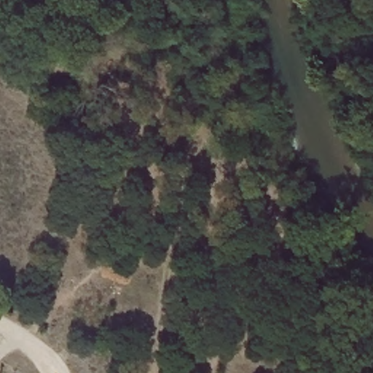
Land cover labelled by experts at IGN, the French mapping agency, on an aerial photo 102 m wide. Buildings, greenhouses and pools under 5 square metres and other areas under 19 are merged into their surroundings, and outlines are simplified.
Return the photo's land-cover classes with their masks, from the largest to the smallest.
<instances>
[{"label":"deciduous trees","instance_id":"1","mask_svg":"<svg viewBox=\"0 0 373 373\"><path fill-rule=\"evenodd\" d=\"M268 13L254 0H0V82L3 85L7 83L12 89L22 90L28 95V117L44 127L45 146L55 165V178L50 188V197L45 204L47 216L44 223L47 227L29 245L28 264L20 270L13 267L6 256L0 255V319L9 318L10 321L22 326L38 325L39 334H44L48 329V313L54 306L58 284L63 278V267L68 252L66 240L68 237L76 236L79 224H82L87 235L82 251L85 252L90 268H112L115 274L122 277H130L136 270L141 272L147 267L162 268L170 278L163 287V331L159 334V344H153V318L143 310L118 313L117 306H101V290L93 296L74 300L71 309L73 321L67 335V351L80 357L90 356L95 351L101 353V357H111L106 373H373V262L360 254L354 239L356 233H360L369 221H372L370 214L353 207L344 198L326 204L322 195L316 191L315 184L307 179L303 159H307V154L297 147V141L291 136L290 127L293 121L288 115L286 103L278 93L277 83H271V68L268 67L267 55L262 50L264 32L261 31V20L267 19ZM288 28L296 35L293 48L305 66V83L325 106L332 136L338 138L348 165L356 169V175L363 188L369 191V203L373 207V0H291L288 4Z\"/></svg>","mask_w":373,"mask_h":373},{"label":"herbaceous vegetation","instance_id":"2","mask_svg":"<svg viewBox=\"0 0 373 373\"><path fill-rule=\"evenodd\" d=\"M55 178V165L45 146L44 127L28 117V95L22 90L12 89L7 83L3 85L0 82V255L6 256L13 267L20 270L28 264L29 245L47 227L44 223L47 216L45 204L50 197V188ZM87 235L82 224H79L76 236L68 237L66 240L68 252L63 267V278L58 284L54 306L48 313V329L44 334H39L38 338L44 344L60 354L70 373H106L111 357H101V353L95 351L90 356L80 357L67 351V335L73 321L71 309L74 300L93 296L101 290V306H117L118 313L143 310L153 318V344H159V334L163 331V287L170 278L162 268L147 267L141 272L136 270L130 277H122L115 274L112 268H90L85 252L82 251ZM0 373H39L31 358L25 356L22 351H12L0 358Z\"/></svg>","mask_w":373,"mask_h":373},{"label":"water","instance_id":"3","mask_svg":"<svg viewBox=\"0 0 373 373\"><path fill-rule=\"evenodd\" d=\"M268 13L267 19L261 20V31L264 32L262 50L267 55L268 67L271 68V83H277L278 93L286 103L288 115L293 121L290 127L291 136L297 141V147L307 154V159H303L307 179L315 184L316 191L322 195L326 204L344 198L353 207L370 214L372 221H369L360 233H356L354 239L360 254L373 262V207L369 203V191L363 188L356 175V169L348 165L338 138L332 136L325 106L305 83V66L293 48L296 35L288 28V4L291 0H254Z\"/></svg>","mask_w":373,"mask_h":373},{"label":"impervious surface","instance_id":"4","mask_svg":"<svg viewBox=\"0 0 373 373\"><path fill-rule=\"evenodd\" d=\"M39 334L38 325L22 326L10 321L9 318L0 319V358L12 351H22L25 356L31 358L39 373H70L60 354L44 344L38 338Z\"/></svg>","mask_w":373,"mask_h":373}]
</instances>
